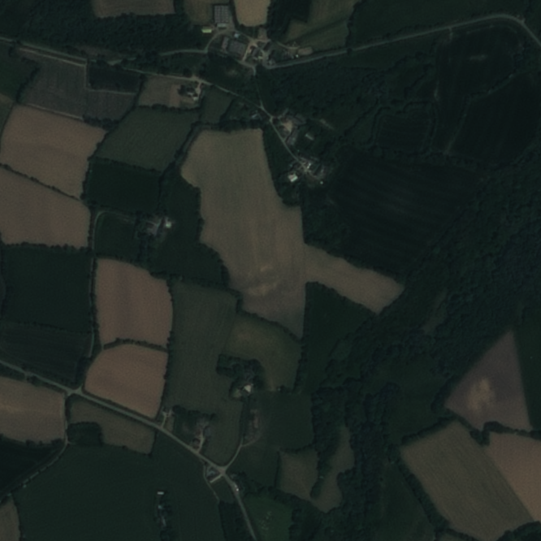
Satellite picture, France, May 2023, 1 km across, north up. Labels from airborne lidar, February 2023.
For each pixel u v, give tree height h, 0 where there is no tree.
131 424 0
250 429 0
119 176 0
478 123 0
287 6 0
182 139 0
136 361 0
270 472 0
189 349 0
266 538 0
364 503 10
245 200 0
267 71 7
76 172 0
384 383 0
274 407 0
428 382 0
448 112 0
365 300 0
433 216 0
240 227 0
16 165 0
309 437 0
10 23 0
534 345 0
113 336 0
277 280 0
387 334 10
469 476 0
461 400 0
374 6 0
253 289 0
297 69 9
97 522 0
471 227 14
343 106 8
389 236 0
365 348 21
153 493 0
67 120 0
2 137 0
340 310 0
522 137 0
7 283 11
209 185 0
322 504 0
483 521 0
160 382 0
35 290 0
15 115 0
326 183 8
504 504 0
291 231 0
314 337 0
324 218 14
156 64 17
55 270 0
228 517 0
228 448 0
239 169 0
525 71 14
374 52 0
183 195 0
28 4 0
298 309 0
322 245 20
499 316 21
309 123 11
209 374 0
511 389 0
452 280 11
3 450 0
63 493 0
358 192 0
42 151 0
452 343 22
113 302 0
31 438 0
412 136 0
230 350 0
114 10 0
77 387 7
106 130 17
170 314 0
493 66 0
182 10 8
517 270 20
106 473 0
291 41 0
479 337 18
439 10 0
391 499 0
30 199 0
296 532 19
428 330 0
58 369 0
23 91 16
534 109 0
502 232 7
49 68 0
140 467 0
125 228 0
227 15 0
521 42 0
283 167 0
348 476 15
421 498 17
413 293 11
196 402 0
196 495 0
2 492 0
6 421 0
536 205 16
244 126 22
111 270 0
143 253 10
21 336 0
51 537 0
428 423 0
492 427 18
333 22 0
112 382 0
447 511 0
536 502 0
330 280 0
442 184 0
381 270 14
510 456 0
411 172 0
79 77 0
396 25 0
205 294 0
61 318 0
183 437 0
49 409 0
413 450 0
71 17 8
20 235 0
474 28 0
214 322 0
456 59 0
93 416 0
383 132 0
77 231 0
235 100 8
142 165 0
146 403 0
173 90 0
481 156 0
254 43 0
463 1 0
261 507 0
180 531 0
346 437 0
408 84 0
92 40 17
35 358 0
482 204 17
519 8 0
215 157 0
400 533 0
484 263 16
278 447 0
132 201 0
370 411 22
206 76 14
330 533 9
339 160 0
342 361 9
